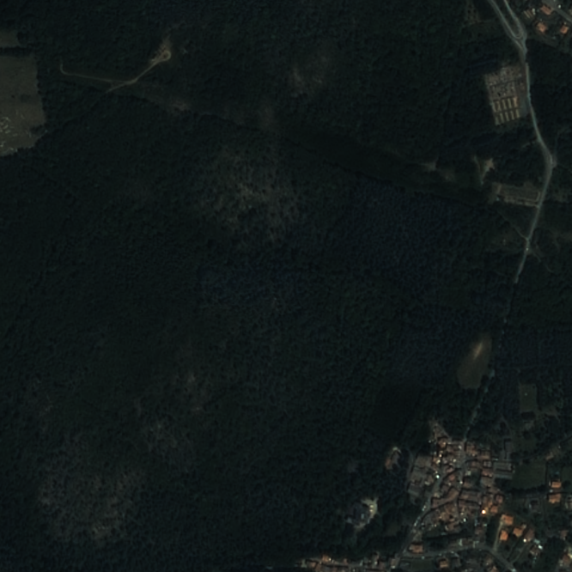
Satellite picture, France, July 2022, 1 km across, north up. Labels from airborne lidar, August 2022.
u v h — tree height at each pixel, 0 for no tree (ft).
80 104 44
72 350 44
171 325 21
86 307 26
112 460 26
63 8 57
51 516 40
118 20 51
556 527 19
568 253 20
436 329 94
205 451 41
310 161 55
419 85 76
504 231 28
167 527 50
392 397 31
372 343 48
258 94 25
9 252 57
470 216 66
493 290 76
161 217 92
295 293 54
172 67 0
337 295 70
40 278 44
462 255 88
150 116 38
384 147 59
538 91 44
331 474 69
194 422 33
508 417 78
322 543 69
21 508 45
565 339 104
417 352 70
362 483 55
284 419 58
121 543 51
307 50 18
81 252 59
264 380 59
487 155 42
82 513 40
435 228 78
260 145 42
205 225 50
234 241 74
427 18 60
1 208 44
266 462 57
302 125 44
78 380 18
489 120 51
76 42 41
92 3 58
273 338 47
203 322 36
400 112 62
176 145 48
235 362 44
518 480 0
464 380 0
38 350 43
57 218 60
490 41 31
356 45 45
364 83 54
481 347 0
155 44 25
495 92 0
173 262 71
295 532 74
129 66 36
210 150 35
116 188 41
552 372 43
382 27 55
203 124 27
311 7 25
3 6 59
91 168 27
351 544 58
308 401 51
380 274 68
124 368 44
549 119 34
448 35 37
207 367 24
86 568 78
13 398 24
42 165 44
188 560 90
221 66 32
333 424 53
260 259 35
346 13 51
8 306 58
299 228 52
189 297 35
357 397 45
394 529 0
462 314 77
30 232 56
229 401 29
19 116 0
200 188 29
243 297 42
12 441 39
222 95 43
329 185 38
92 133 35
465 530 26
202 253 56
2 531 105
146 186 26
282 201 43
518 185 30
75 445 35
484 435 20
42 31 44
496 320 26
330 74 22
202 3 32
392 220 71
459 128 58
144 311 53
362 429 63
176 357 26
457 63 64
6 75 0
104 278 47
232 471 34
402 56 73
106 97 29
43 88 26
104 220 63
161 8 50
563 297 60
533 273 40
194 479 49
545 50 33
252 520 53
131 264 52
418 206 73
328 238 87
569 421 40
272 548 92
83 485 19
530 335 81
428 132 53
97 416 50
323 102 66
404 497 47
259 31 27
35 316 40
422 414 52
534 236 18
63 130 54
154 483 20
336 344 62
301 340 41
